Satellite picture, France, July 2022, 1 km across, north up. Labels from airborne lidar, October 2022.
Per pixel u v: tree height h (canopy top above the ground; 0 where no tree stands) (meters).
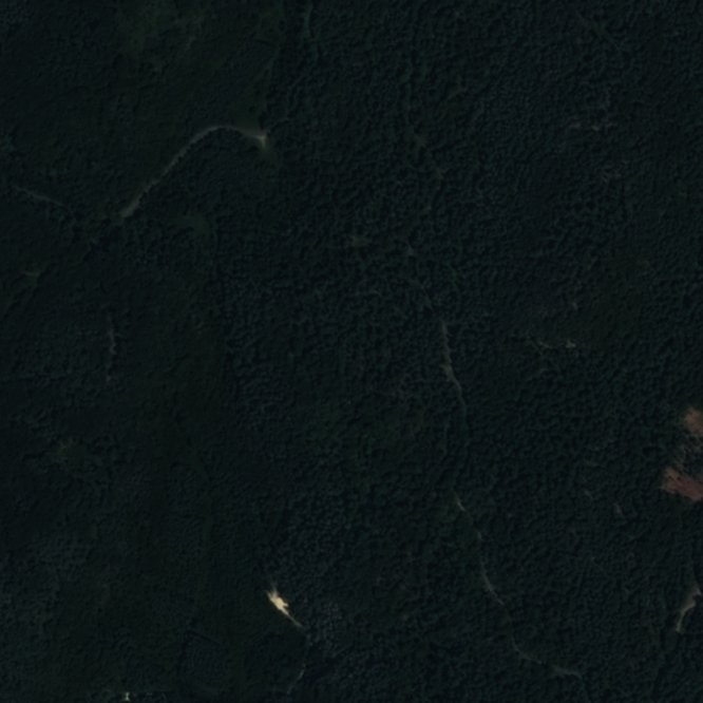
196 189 22
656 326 27
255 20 24
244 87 22
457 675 13
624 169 20
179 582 10
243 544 9
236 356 10
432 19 22
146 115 6
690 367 26
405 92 20
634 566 9
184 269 26
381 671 20
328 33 18
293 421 18
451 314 29
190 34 8
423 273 29
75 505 20
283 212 10
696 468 27
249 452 26
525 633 17
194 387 20
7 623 17
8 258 25
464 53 20
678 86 25
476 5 15
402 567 17
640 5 24
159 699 20
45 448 23
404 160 21
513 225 22
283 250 14
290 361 27
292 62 17
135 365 21
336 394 15
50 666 17
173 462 18
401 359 6
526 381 15
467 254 9
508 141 15
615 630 22
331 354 20
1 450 29
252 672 11
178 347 23
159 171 20
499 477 12
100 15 24
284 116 13
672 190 28
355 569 9
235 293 29
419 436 16
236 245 14
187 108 16
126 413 12
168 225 13
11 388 29
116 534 18
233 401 19
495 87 24
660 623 32
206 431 24
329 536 12
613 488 23
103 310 23
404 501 6
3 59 24
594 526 22
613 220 18
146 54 5
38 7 25
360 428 22
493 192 26
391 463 31
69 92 15
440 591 26
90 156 15
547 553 10
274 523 20
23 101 20
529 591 17
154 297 17
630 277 21
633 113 22
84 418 22
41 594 13
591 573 25
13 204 25
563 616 12
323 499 24
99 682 16
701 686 21
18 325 22
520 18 22
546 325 11
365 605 11
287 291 15
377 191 28
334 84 23
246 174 18
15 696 19
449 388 24
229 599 9
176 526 25
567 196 20
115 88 20
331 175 20
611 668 34
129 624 9
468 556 18
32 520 25
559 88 18
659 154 22
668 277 30
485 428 17
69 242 22
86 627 20
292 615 25
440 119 19
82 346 10
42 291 19
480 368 22
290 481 32
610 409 27
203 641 25
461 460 22
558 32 20
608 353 19
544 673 27
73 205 16
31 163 30
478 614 14
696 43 27
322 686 29
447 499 19
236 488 18
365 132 17
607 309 17
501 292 17
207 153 20
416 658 17
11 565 9
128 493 23
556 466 26
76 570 9
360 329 17
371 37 21
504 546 18
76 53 18
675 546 33
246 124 0
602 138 19
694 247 26
